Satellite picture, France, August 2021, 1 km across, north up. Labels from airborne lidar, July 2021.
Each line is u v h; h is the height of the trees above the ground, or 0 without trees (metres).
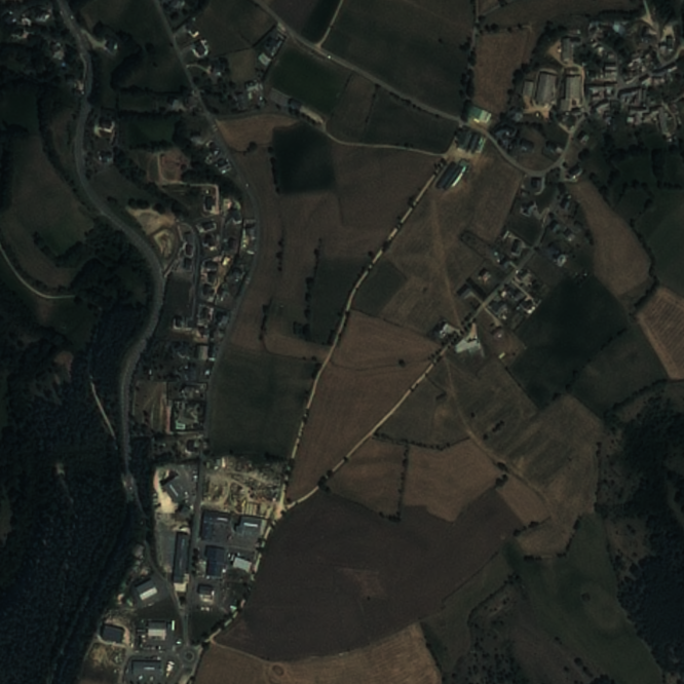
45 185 0
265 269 0
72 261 15
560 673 0
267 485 0
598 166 0
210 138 0
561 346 0
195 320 0
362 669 0
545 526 0
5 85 15
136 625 0
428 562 0
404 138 0
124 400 0
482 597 0
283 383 0
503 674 8
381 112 0
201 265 0
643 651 0
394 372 0
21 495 6
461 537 0
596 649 0
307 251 0
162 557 0
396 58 0
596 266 0
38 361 20
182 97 8
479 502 0
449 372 0
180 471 0
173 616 0
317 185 0
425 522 0
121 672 0
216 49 0
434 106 0
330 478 8
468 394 0
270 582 0
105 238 7
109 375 16
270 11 0
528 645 0
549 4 0
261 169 0
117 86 13
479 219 0
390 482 0
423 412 0
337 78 0
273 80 0
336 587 0
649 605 17
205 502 0
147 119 12
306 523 0
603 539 0
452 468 0
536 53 8
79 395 17
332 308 0
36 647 25
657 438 18
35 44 9
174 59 0
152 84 0
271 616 0
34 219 0
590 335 0
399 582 0
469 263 0
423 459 0
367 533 0
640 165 0
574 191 0
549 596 0
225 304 0
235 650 0
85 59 0
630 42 0
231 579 0
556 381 0
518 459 0
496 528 0
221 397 0
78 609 8
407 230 0
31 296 0
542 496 0
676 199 0
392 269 0
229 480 0
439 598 0
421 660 0
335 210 0
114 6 0
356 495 0
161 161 0
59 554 26
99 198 0
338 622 0
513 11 0
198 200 0
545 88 0
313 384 0
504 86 0
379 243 0
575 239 0
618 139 0
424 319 0
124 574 9
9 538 15
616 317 0
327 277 0
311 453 0
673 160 0
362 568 0
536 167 0
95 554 22
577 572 0
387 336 0
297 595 0
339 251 0
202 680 0
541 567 0
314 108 0
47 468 7
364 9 0
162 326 0
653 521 17
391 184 0
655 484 14
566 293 0
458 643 0
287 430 0
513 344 0
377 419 0
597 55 9
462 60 0
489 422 0
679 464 0
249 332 0
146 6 0
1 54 18
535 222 0
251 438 0
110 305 15
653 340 0
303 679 0
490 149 0
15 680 26
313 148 0
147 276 7
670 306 0
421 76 0
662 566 20
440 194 0
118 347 16
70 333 0
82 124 0
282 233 0
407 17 0
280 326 0
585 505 0
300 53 0
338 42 0
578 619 0
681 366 0
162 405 0
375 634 0
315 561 0
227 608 0
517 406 0
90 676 0
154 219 0
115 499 13
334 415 0
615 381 0
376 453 0
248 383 0
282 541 0
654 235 0
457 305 0
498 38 0
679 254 0
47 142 14
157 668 0
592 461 0
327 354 0
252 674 0
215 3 0
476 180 0
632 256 0
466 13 0
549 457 0
